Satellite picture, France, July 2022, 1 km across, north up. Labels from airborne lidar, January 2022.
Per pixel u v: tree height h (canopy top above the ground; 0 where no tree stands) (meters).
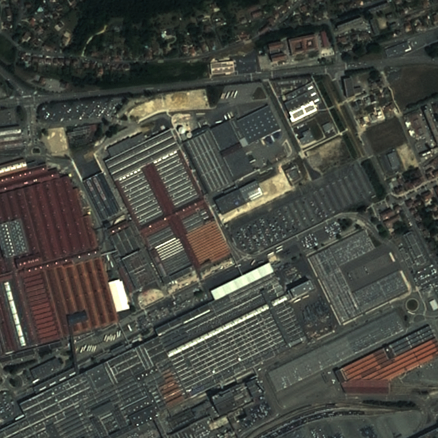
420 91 0
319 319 0
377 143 0
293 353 0
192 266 0
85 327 0
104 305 0
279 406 0
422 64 0
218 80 0
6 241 0
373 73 7
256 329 0
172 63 0
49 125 0
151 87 0
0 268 0
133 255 0
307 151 0
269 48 0
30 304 0
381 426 0
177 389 0
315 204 0
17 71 0
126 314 0
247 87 0
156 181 0
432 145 0
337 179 0
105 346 0
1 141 0
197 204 0
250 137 0
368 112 0
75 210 0
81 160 0
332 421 0
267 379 0
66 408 0
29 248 0
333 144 0
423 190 0
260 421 0
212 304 0
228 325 0
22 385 0
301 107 0
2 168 0
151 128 0
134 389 0
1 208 0
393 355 0
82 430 0
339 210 0
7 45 0
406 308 0
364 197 0
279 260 0
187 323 0
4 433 0
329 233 0
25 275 0
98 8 12
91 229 0
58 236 0
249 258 0
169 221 0
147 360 0
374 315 0
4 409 0
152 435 0
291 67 0
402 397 0
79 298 0
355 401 0
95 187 0
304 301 0
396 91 0
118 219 0
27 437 0
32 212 0
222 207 0
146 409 0
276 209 0
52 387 0
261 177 0
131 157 0
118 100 0
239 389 0
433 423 0
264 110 0
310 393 0
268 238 0
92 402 0
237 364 0
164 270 0
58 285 0
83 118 0
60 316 0
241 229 0
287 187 0
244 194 0
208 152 0
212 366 0
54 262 0
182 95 0
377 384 0
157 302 0
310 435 0
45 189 0
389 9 0
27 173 0
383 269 0
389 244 0
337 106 0
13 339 0
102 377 0
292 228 0
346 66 0
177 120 0
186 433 0
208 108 0
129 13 7
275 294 0
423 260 0
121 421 0
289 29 14
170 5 16
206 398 0
